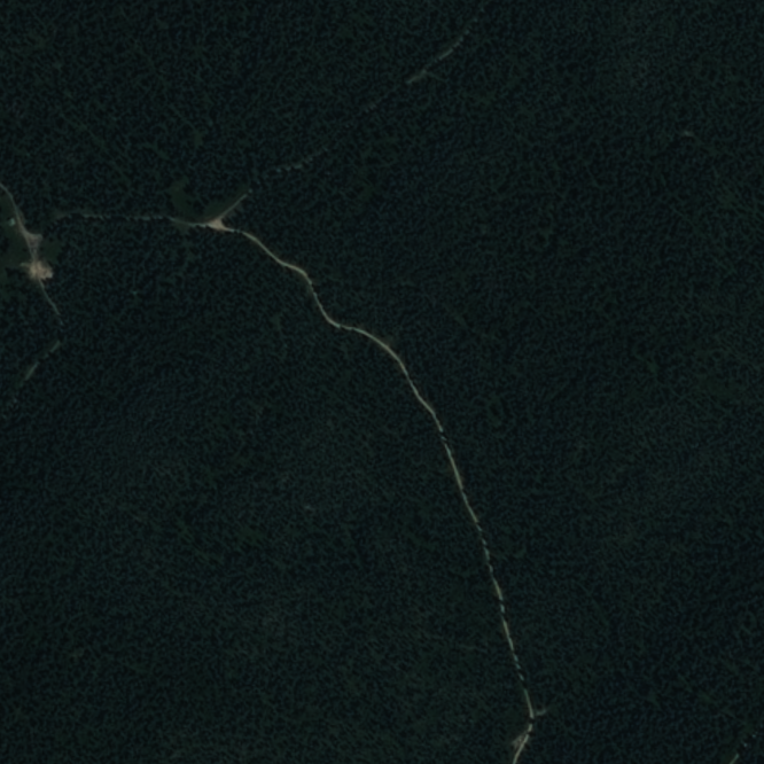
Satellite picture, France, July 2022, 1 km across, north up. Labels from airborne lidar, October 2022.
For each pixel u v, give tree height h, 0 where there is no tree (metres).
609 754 9
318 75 18
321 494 13
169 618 21
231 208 0
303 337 18
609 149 24
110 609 23
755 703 16
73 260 16
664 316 16
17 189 8
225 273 14
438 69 21
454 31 25
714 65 9
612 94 18
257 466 18
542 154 29
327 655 24
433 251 16
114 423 14
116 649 23
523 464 23
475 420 11
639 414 13
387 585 21
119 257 18
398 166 11
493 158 11
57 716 8
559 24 16
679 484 12
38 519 22
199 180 18
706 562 16
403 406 6
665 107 13
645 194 27
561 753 11
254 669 21
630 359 8
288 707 16
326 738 20
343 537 12
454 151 15
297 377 12
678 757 6
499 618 8
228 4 14
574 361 25
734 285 21
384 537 10
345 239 18
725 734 18
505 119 14
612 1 22
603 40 14
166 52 19
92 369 22
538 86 21
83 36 11
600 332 28
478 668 14
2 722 17
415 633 15
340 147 7
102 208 6
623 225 8
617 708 17
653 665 30
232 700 10
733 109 9
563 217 8
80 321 12
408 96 24
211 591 22
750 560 16
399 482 22
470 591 11
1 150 9
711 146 13
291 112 20
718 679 18
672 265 17
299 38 21
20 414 24
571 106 15
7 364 17
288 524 24
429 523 16
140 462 11
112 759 12
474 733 16
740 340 14
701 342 12
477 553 22
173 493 21
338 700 16
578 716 6
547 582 24
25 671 8
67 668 8
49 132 24
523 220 18
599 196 26
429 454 12
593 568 9
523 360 24
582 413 8
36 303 21
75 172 19
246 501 15
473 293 11
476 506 19
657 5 12
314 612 17
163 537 12
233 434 28
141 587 19
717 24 25
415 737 20
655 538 21
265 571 17
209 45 21
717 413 17
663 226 19
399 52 22
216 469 28
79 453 15
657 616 20
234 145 7
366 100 14
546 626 20
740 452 18
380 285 19
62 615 13
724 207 20
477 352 25
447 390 15
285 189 10
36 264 0
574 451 16
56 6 24
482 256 22
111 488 13
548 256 13
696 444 21
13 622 11
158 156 30
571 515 8
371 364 24
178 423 14
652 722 20
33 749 21
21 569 17
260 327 20
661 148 15
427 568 16
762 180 18
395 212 27
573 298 17
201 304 12
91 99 19
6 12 13
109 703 22
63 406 10
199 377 23
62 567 23
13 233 0
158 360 28
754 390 14
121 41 12
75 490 9
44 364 15
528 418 18
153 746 8
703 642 33
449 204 10
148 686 7
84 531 24
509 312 24
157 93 7
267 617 16
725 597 17
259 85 25
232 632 19
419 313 19
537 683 16
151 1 26
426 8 16
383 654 20
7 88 8
